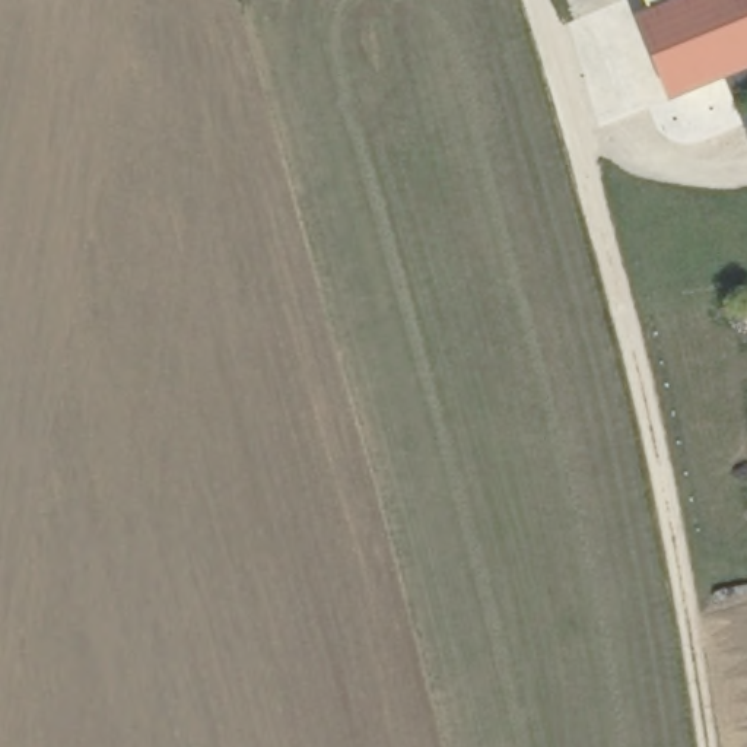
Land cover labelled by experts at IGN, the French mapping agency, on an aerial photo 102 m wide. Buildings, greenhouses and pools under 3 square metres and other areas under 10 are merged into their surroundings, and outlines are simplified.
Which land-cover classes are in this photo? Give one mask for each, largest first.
<instances>
[{"label":"plowed land","instance_id":"1","mask_svg":"<svg viewBox=\"0 0 747 747\"><path fill-rule=\"evenodd\" d=\"M248 6V0H0V747H444L432 700L426 692V677L420 668L417 642L411 633V619L400 592L391 543L376 505V490L362 452L353 409L344 391L336 347L309 266V251L298 225L289 181L268 123L266 93L257 76L251 41L242 26L239 12ZM703 659L718 747H747V589L738 587L715 592L712 604L700 610Z\"/></svg>","mask_w":747,"mask_h":747},{"label":"agricultural land","instance_id":"2","mask_svg":"<svg viewBox=\"0 0 747 747\"><path fill-rule=\"evenodd\" d=\"M528 0H248V6L239 12L242 26L251 41L257 76L266 93L268 123L289 181L298 225L309 251V266L336 347L344 391L353 409L362 452L376 490V505L391 543L400 592L411 619V633L417 642L420 668L426 677V692L432 700L444 747H697L677 610L642 432L598 257L578 198L569 152L525 15ZM604 198L616 228L622 266L630 283V298L636 306L645 353L654 374L700 610L712 604L715 592L738 587L747 589V184L735 190H712L654 181L622 169L610 158H598Z\"/></svg>","mask_w":747,"mask_h":747},{"label":"pervious surface","instance_id":"3","mask_svg":"<svg viewBox=\"0 0 747 747\"><path fill-rule=\"evenodd\" d=\"M575 0H528L525 15L569 152L578 198L598 257L642 432L677 610L697 747H718L703 659L700 610L654 374L645 353L636 306L630 298V283L622 266L616 228L604 198L598 158H610L622 169L654 181L712 190H735L747 184V123H741L735 131L709 137L703 143L668 140L648 111L613 125H598L587 90V76L578 58L575 35L569 29Z\"/></svg>","mask_w":747,"mask_h":747},{"label":"impervious surface","instance_id":"4","mask_svg":"<svg viewBox=\"0 0 747 747\"><path fill-rule=\"evenodd\" d=\"M569 29L575 35L578 58L587 76V90L598 125H613L648 111L668 140L703 143L709 137L735 131L741 123H747V117L735 108L729 85L712 82L683 96H668L659 76L651 67V55L645 50L642 32L633 20V9L627 0H575Z\"/></svg>","mask_w":747,"mask_h":747},{"label":"building","instance_id":"5","mask_svg":"<svg viewBox=\"0 0 747 747\"><path fill-rule=\"evenodd\" d=\"M633 9V20L642 32L645 50L651 55V67L659 76L668 96H683L712 82L729 85L738 73L747 70V0H627Z\"/></svg>","mask_w":747,"mask_h":747},{"label":"deciduous trees","instance_id":"6","mask_svg":"<svg viewBox=\"0 0 747 747\"><path fill-rule=\"evenodd\" d=\"M735 108L747 117V70L738 73L729 85Z\"/></svg>","mask_w":747,"mask_h":747}]
</instances>
